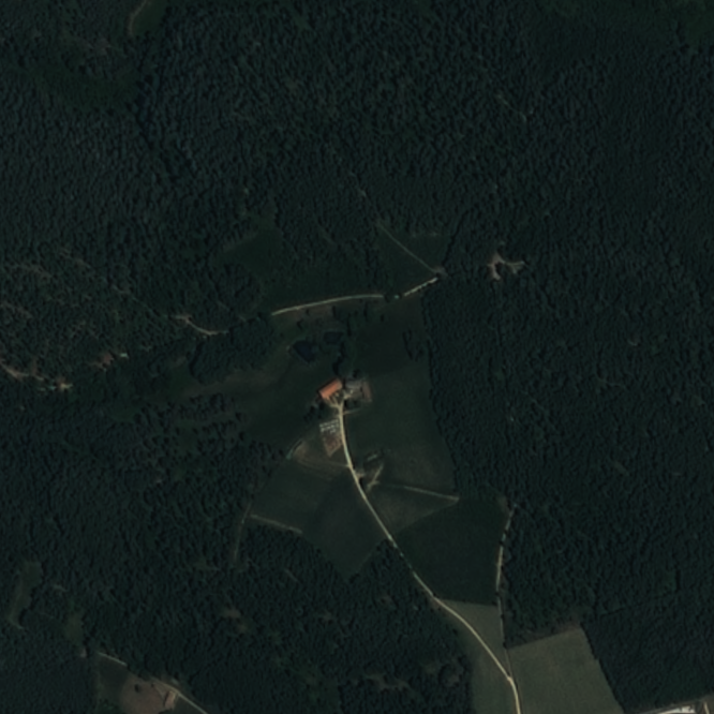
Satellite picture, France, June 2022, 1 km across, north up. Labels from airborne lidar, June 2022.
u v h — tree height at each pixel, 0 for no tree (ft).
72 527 79
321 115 75
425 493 0
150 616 52
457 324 61
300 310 0
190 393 0
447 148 81
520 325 63
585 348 56
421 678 63
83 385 54
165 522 58
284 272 26
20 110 99
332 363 0
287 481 0
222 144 87
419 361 37
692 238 68
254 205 54
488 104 39
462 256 73
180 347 53
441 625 69
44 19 79
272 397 0
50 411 75
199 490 37
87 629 33
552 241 80
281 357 0
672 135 66
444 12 63
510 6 80
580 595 52
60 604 63
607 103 55
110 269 91
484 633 0
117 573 90
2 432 96
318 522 0
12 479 86
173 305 31
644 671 57
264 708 79
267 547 71
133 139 96
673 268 98
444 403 76
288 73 38
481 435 69
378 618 61
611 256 79
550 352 87
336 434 0
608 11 44
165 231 39
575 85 65
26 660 64
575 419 74
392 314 0
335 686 0
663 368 69
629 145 75
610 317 48
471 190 85
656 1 47
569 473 51
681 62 83
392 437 0
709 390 59
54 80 22
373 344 0
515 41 63
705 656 48
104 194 82
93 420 90
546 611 31
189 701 0
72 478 91
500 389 50
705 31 32
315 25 37
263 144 38
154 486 39
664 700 55
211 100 87
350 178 70
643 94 63
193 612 58
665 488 80
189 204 85
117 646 41
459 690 64
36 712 57
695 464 72
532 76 75
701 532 60
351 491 0
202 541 53
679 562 74
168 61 100
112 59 41
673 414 57
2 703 50
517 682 0
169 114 103
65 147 94
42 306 73
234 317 72
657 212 83
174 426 63
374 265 55
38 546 73
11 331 74
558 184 29
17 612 0
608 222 76
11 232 81
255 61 79
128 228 96
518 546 67
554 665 0
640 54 41
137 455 60
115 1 49
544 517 31
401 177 91
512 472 57
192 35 87
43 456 28
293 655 37
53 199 78
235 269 65
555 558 24
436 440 0
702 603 40
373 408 0
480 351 41
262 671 77
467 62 85
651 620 44
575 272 56
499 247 48
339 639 71
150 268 48
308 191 55
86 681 66
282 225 71
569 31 52
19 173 94
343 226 52
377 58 36
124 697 0
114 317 28
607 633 45
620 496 47
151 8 0
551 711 0
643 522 32
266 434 0
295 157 75
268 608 62
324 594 58
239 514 45
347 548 0
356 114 35
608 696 0
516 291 53
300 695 67
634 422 63
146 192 99
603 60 29
